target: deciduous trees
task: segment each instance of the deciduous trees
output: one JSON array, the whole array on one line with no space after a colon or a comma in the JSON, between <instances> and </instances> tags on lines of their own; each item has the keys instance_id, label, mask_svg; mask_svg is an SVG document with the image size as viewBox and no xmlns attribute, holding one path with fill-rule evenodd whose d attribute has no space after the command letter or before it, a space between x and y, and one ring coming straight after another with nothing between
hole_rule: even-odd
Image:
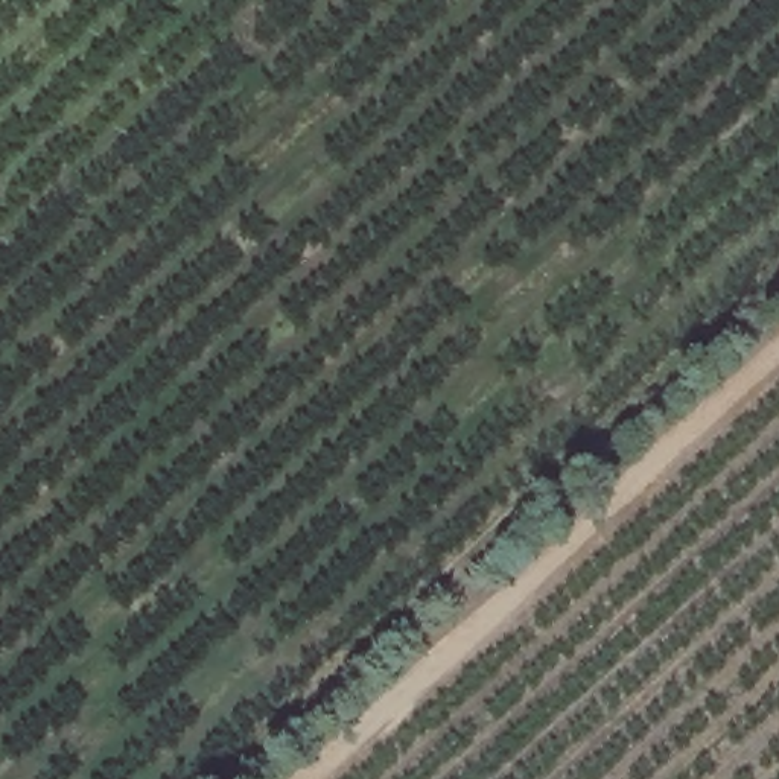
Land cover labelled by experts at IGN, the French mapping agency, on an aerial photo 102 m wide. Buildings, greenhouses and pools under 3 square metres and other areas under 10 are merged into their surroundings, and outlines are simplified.
<instances>
[{"instance_id":1,"label":"deciduous trees","mask_svg":"<svg viewBox=\"0 0 779 779\"><path fill-rule=\"evenodd\" d=\"M779 779L779 733L767 742L758 761L736 767L733 779Z\"/></svg>"},{"instance_id":2,"label":"deciduous trees","mask_svg":"<svg viewBox=\"0 0 779 779\"><path fill-rule=\"evenodd\" d=\"M517 575L545 548L566 542L575 517L587 517L593 523L593 539L581 551L584 560L575 569L569 569L566 578L548 596L542 596L529 609L520 609L514 621L517 627L511 627L496 642L481 648L472 660L466 660L459 672L447 685L438 685L423 703L417 703L417 709L386 739L377 739L368 758L350 764L335 779L703 779L715 770L715 758L721 755L721 746L727 739L746 739L761 721L767 721L779 709L779 380L767 396L758 399L752 411L742 411L730 420L730 429L712 441L712 447L697 450L694 459L679 469L679 475L663 490L651 484L639 496L639 502L627 505L618 517L606 514L606 502L612 499L621 472L642 459L642 453L657 441L657 435L669 432L679 420L685 420L700 399L721 390L721 383L730 374L736 374L755 356L761 341L779 335L779 0L0 0L0 779L289 779L295 770L313 764L329 739L350 739L356 733L362 712L383 691L390 691L432 648L432 642L450 633L499 587L514 584Z\"/></svg>"}]
</instances>

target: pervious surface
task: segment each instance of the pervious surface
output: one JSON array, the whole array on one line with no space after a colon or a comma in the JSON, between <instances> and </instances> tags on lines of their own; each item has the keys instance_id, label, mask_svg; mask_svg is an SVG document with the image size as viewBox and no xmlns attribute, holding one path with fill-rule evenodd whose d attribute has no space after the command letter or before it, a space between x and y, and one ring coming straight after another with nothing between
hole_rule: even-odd
<instances>
[{"instance_id":1,"label":"pervious surface","mask_svg":"<svg viewBox=\"0 0 779 779\"><path fill-rule=\"evenodd\" d=\"M612 499L606 502L606 514L618 517L627 505L639 502L639 496L651 484L663 490L679 475L679 469L694 459L697 450L712 447L712 441L730 429L730 420L742 411L752 411L758 399L767 396L779 380L779 335L761 341L755 356L736 374L730 374L721 383L721 390L700 399L685 420L679 420L669 432L657 435L657 441L642 453L642 459L621 472Z\"/></svg>"},{"instance_id":2,"label":"pervious surface","mask_svg":"<svg viewBox=\"0 0 779 779\"><path fill-rule=\"evenodd\" d=\"M517 627L514 621L520 609L529 609L542 596L548 596L566 578L569 569L575 569L584 560L581 551L593 539L593 523L587 517L575 517L566 542L545 548L517 575L514 584L499 587L450 633L432 642L432 648L390 691L383 691L362 712L356 733L350 739L329 739L313 764L295 770L289 779L335 779L350 764L368 758L377 739L386 739L417 709L417 703L423 703L438 685L447 685L459 672L466 660L472 660L481 648L496 642L511 627Z\"/></svg>"}]
</instances>

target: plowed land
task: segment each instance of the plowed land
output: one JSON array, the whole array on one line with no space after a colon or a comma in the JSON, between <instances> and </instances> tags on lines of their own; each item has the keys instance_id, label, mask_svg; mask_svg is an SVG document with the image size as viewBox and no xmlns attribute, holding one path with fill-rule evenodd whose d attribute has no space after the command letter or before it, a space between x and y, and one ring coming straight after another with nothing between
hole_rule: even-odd
<instances>
[{"instance_id":1,"label":"plowed land","mask_svg":"<svg viewBox=\"0 0 779 779\"><path fill-rule=\"evenodd\" d=\"M736 767L758 761L767 742L779 733L779 709L767 721L761 721L746 739L727 739L721 746L721 755L715 758L715 770L703 779L733 779Z\"/></svg>"}]
</instances>

